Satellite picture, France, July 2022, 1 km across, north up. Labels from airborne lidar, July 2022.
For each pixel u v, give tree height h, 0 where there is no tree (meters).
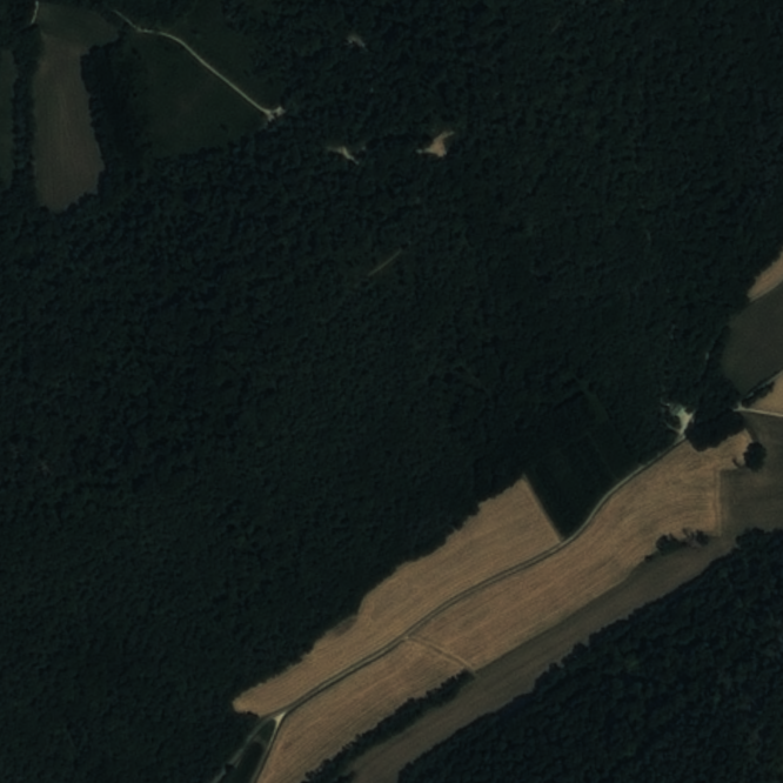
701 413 13
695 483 0
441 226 18
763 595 32
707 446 20
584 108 22
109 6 21
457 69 22
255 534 23
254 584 20
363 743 14
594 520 0
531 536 0
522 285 26
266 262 15
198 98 0
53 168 0
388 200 27
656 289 17
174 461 25
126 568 18
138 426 26
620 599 0
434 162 19
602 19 17
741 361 0
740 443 0
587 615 0
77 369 26
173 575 20
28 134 14
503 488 16
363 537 17
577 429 16
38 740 22
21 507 23
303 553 18
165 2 22
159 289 22
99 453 28
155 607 16
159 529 12
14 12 13
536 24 15
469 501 17
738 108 26
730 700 26
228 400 27
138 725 21
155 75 0
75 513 26
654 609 13
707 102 25
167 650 19
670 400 18
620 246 15
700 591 21
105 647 29
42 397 22
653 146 18
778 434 0
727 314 20
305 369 11
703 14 20
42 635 22
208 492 14
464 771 25
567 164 19
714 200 32
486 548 0
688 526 0
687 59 21
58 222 25
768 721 18
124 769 20
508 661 0
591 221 17
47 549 17
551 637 0
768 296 0
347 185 23
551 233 18
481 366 31
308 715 0
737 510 0
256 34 17
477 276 17
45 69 0
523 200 22
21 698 17
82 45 0
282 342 15
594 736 29
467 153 24
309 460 18
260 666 18
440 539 19
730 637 29
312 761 0
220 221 24
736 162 26
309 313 15
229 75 0
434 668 0
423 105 27
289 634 17
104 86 15
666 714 26
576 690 19
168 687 15
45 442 25
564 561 0
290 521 16
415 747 0
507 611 0
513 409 24
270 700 0
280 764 0
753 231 24
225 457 18
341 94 16
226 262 16
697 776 22
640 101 18
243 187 21
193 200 28
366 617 0
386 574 19
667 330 17
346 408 16
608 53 23
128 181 22
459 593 0
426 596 0
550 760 27
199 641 17
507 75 19
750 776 23
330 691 0
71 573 19
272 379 18
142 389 31
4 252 24
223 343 27
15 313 19
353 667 0
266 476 16
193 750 17
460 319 23
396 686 0
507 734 28
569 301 19
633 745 24
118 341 26
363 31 26
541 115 20
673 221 17
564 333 19
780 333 0
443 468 17
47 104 0
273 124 13
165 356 29
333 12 21
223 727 17
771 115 25
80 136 0
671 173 17
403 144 23
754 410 0
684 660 25
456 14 14
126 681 20
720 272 20
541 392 30
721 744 26
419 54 21
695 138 23
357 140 14
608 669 28
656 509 0
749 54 19
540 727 27
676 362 16
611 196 19
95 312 21
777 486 0
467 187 28
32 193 21
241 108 0
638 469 0
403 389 22
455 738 10
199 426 28
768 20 23
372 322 19
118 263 19
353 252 18
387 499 20
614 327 21
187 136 0
